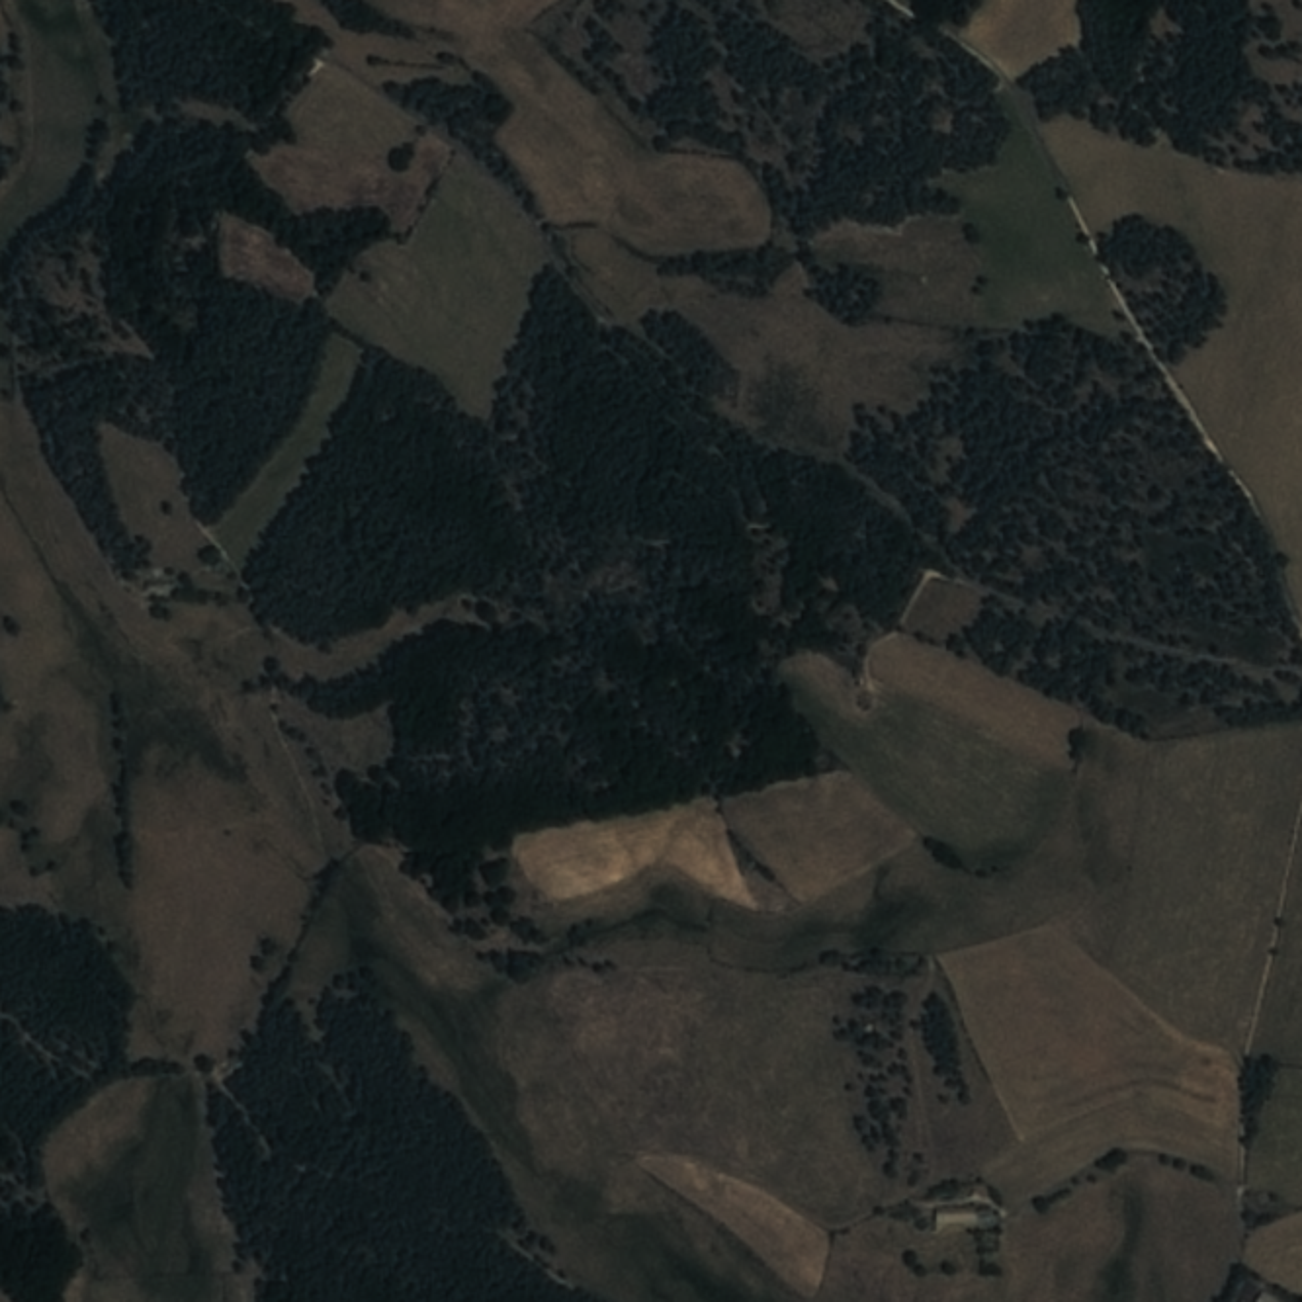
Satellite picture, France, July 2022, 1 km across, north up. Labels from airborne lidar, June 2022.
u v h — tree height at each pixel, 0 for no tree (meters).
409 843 17
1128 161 0
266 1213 16
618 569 0
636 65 0
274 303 21
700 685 19
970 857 0
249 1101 16
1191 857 0
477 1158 13
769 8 7
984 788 0
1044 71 17
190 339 8
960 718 0
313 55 9
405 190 0
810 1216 0
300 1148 15
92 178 18
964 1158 0
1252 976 0
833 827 0
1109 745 0
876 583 17
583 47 0
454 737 11
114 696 8
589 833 0
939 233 0
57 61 0
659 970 0
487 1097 0
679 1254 0
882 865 0
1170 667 15
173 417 15
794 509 14
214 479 21
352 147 0
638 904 0
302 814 0
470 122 14
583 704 13
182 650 0
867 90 20
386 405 14
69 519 0
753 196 0
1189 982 0
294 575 18
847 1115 0
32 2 0
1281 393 0
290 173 0
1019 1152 0
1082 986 0
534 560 12
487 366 0
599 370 21
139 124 0
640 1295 0
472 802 15
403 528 20
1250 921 0
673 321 14
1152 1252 0
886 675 0
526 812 16
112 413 14
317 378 12
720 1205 0
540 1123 0
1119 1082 0
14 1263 19
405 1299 13
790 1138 0
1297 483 0
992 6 0
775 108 15
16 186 0
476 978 0
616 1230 0
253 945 0
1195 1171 9
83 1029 14
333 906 0
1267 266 0
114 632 0
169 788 0
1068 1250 0
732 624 16
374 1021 7
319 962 0
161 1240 0
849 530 8
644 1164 0
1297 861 0
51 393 21
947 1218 0
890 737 0
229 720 0
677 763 12
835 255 0
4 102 10
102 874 0
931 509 19
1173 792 0
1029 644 14
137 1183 0
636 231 0
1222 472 15
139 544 10
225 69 16
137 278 23
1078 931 0
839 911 0
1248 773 0
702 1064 0
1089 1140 0
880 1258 0
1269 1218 6
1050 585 18
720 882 0
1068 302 0
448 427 15
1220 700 16
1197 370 0
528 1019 0
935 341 0
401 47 0
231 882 0
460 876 15
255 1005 0
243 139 23
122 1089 0
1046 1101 0
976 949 0
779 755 16
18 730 0
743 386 0
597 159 0
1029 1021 0
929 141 22
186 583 12
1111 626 19
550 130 0
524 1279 12
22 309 14
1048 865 0
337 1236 11
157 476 0
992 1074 0
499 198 0
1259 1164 0
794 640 8
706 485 17
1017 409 12
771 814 0
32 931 15
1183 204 0
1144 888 0
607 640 16
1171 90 13
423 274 0
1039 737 0
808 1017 0
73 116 0
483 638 20
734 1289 0
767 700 19
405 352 0
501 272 0
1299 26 0
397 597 16
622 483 17
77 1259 16
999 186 0
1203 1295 0
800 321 0
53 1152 0
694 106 14
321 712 10
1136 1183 0
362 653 0
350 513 15
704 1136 0
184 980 0
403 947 0
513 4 0
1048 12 0
